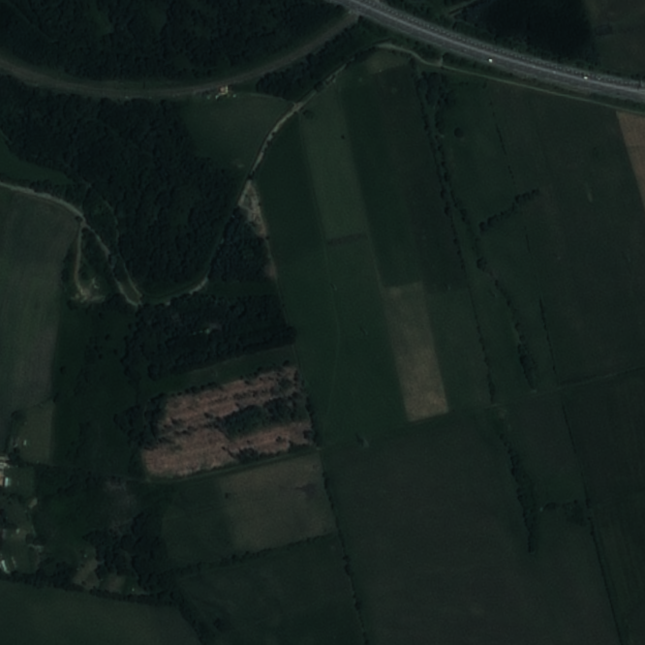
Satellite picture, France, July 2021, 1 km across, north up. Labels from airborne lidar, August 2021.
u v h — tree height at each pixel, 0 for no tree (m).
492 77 0
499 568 0
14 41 13
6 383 0
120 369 0
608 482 0
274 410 14
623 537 0
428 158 0
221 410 0
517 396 0
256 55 14
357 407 0
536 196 8
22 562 0
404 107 0
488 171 0
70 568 8
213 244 19
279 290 0
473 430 0
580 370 0
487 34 9
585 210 0
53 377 0
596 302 0
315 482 0
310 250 0
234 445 0
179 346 23
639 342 0
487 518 0
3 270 0
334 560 0
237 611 0
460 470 0
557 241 0
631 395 0
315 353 0
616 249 0
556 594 0
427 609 0
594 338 0
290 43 13
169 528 0
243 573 0
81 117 6
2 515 14
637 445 0
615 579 0
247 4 18
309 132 0
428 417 0
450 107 8
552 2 14
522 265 0
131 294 0
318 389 0
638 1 0
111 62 19
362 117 0
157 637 0
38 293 0
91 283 0
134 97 0
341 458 0
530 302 0
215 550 0
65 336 0
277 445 0
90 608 0
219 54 12
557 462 0
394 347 0
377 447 0
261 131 0
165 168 22
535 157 0
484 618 0
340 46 17
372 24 8
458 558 0
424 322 0
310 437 22
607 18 0
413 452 0
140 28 22
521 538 0
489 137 0
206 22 15
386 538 0
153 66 18
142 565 19
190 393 18
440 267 0
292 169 0
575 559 0
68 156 21
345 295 0
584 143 0
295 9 18
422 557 0
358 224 0
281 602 0
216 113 0
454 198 7
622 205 0
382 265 0
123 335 0
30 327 0
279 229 0
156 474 0
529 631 0
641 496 0
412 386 0
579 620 0
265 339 15
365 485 0
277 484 0
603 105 0
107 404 0
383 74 0
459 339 0
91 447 0
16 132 15
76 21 14
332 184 0
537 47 14
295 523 0
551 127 0
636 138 0
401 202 0
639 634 0
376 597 0
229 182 14
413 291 0
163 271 17
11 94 20
